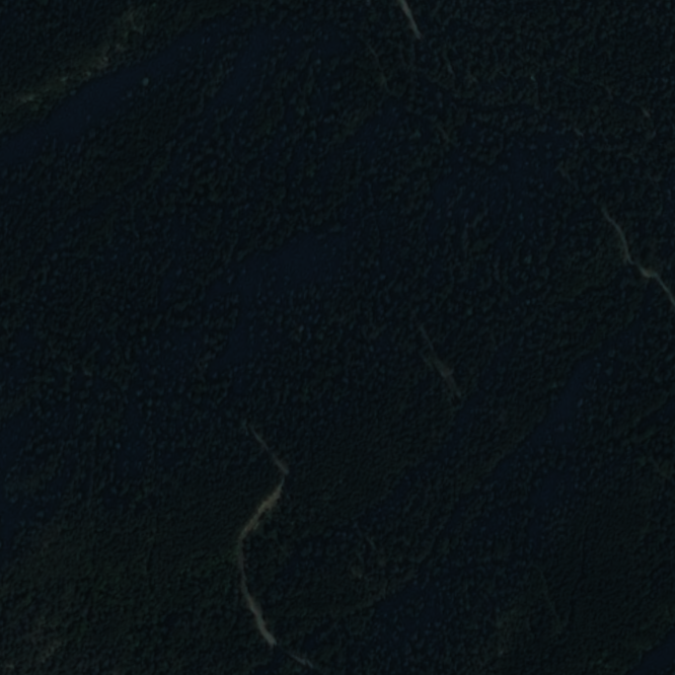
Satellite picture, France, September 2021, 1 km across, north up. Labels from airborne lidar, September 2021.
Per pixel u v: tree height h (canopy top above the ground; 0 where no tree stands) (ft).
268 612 50
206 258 91
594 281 44
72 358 54
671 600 73
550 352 86
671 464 70
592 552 72
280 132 96
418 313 53
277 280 59
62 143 58
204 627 28
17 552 26
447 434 64
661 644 62
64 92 48
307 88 93
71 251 72
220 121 112
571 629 35
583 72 47
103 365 44
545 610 50
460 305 58
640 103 61
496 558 43
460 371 47
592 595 80
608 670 56
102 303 37
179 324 78
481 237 68
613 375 55
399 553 53
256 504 57
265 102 95
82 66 49
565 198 83
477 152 80
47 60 52
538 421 61
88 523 50
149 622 43
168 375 58
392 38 49
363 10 68
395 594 21
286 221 70
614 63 70
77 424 44
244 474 57
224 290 58
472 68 20
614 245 38
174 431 36
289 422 73
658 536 73
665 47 104
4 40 83
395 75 33
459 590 41
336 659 50
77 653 56
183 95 86
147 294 87
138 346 30
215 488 48
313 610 63
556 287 46
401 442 50
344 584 50
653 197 79
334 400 57
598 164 65
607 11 61
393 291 104
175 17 107
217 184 94
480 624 52
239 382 65
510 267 91
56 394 43
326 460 72
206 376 43
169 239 62
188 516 47
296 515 36
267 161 72
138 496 49
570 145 47
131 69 112
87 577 37
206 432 52
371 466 61
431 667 64
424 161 43
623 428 72
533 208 59
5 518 30
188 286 81
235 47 84
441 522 78
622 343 66
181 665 21
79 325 36
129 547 60
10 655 45
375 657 31
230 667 44
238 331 73
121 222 81
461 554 44
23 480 61
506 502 68
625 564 76
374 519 43
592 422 87
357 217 111
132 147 53
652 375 71
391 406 49
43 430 33
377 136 72
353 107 76
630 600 66
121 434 27
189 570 40
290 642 33
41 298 49
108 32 47
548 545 58
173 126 85
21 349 41
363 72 81
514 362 66
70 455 40
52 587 45
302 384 87
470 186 59
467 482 48
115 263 62
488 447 55
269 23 53
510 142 54
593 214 94
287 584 59
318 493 34
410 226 65
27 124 60
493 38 94
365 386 72
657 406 73
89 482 61
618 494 75
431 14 106
